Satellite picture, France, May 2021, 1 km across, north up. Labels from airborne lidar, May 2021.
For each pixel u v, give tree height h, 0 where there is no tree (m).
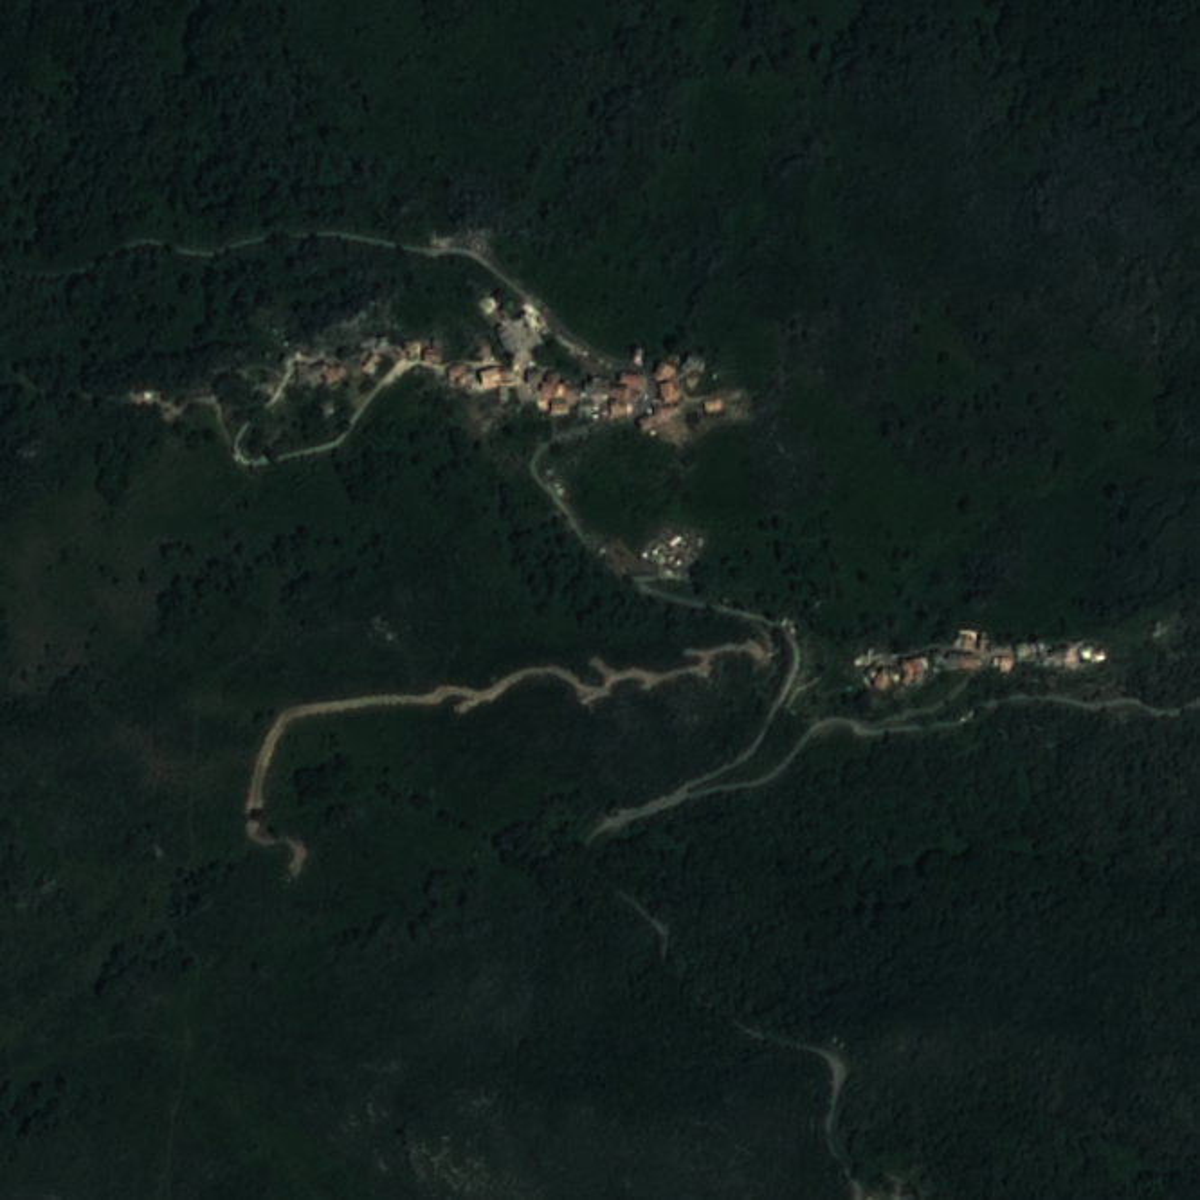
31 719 6
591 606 9
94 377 19
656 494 5
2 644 15
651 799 9
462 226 10
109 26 12
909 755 14
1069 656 0
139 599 0
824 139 6
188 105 21
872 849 17
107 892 8
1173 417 19
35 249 17
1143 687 6
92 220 19
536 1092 7
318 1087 6
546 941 8
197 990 0
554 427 9
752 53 7
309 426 10
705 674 0
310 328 9
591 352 0
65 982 5
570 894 12
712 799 9
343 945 8
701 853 21
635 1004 10
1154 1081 9
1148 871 16
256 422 13
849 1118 8
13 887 15
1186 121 14
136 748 6
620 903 9
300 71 15
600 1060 8
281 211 17
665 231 11
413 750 6
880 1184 7
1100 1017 9
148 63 11
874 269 8
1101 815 15
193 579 7
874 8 18
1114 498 16
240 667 10
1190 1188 23
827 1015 10
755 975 17
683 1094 7
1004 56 10
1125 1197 18
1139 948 11
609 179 8
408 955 8
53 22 28
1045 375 14
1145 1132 16
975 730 11
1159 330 14
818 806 16
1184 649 8
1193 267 8
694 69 19
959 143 7
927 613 10
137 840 10
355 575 14
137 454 20
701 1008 6
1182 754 10
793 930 17
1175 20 20
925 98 7
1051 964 8
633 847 20
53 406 12
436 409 9
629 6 13
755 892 15
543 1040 8
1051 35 29
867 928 20
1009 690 7
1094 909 16
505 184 11
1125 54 25
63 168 24
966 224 8
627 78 12
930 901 18
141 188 10
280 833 15
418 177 10
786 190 7
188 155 16
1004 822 7
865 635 7
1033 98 25
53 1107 14
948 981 7
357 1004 6
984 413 16
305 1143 0
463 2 14
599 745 6
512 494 18
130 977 11
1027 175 9
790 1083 7
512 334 0
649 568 0
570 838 17
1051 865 23
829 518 11
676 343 18
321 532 0
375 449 9
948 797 12
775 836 13
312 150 19
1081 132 11
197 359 18
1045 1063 9
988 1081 10
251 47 13
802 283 8
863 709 14
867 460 0
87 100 20
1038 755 10
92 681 17
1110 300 8
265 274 22
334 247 8
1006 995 7
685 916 6
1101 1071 6
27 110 16
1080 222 9
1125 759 11
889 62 18
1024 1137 13
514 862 17
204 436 15
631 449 6
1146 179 13
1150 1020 15
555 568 23
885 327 6
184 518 0
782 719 9
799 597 10
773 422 9
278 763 8
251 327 8
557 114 8
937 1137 7
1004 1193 11
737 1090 6
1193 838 6
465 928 14
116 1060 0
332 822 13
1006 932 9
